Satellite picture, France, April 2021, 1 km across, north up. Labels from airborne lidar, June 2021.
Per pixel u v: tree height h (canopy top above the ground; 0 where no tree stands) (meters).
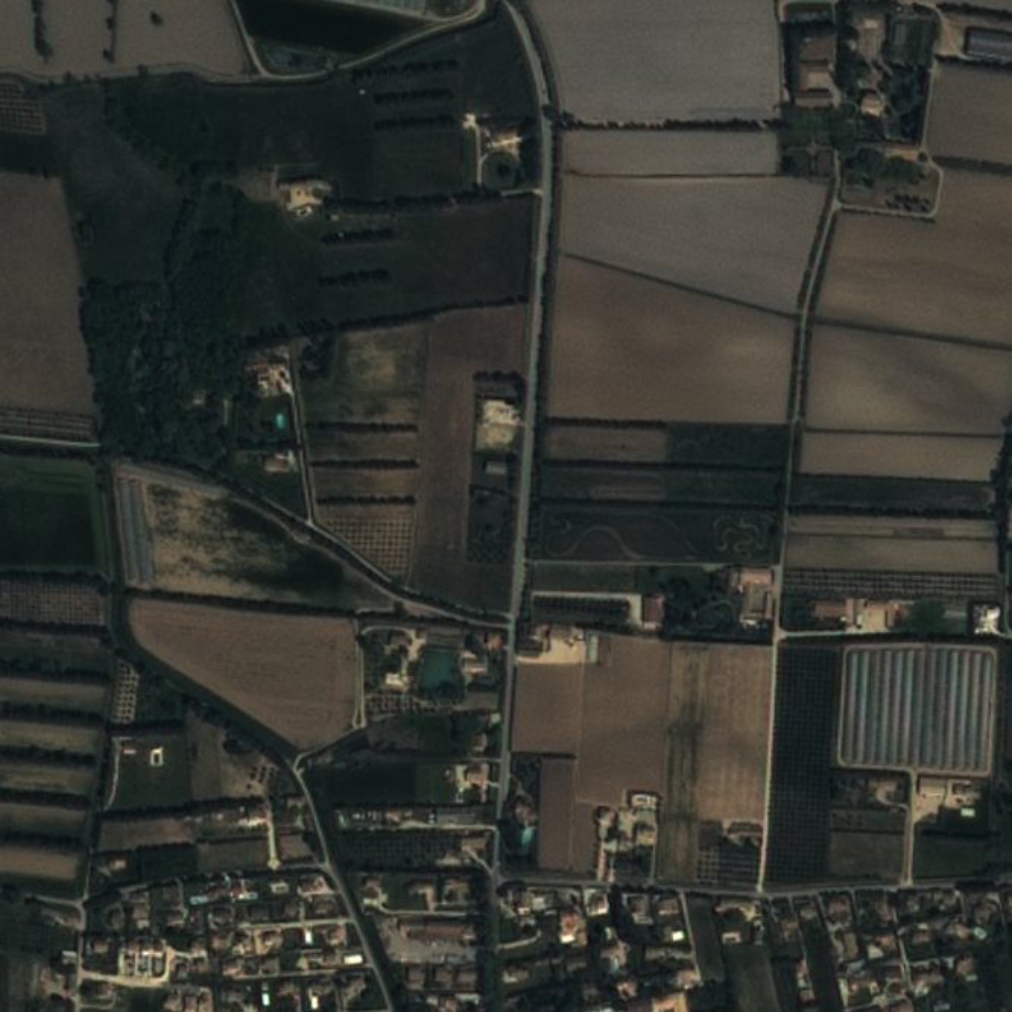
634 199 0
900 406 0
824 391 0
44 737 0
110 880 9
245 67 0
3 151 0
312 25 0
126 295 13
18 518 0
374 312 0
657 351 0
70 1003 7
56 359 0
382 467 9
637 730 0
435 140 0
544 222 0
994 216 0
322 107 0
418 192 0
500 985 19
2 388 0
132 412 11
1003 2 0
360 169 0
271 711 0
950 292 0
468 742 18
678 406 0
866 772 6
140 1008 0
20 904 20
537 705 0
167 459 9
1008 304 0
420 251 0
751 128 13
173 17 0
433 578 0
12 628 15
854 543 0
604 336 0
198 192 18
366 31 0
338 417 0
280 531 0
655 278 0
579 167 0
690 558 0
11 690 0
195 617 0
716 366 0
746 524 0
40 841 11
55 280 0
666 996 16
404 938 0
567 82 0
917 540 0
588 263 0
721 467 7
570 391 0
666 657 0
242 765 0
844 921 7
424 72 14
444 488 0
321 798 6
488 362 0
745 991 0
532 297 7
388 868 6
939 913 13
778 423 0
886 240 0
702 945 0
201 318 20
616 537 0
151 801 0
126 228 0
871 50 0
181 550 0
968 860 0
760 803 0
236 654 0
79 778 0
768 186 0
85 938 7
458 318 0
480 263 0
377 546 0
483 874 8
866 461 0
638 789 0
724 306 0
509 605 0
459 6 0
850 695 0
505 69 0
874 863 0
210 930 7
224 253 17
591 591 0
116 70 0
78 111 0
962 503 0
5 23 0
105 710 0
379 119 0
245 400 16
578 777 0
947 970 10
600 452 0
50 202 0
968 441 0
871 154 19
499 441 0
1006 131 0
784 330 0
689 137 0
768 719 0
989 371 0
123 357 14
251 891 0
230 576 0
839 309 0
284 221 0
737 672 0
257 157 0
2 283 0
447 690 14
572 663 0
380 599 0
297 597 0
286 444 10
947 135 0
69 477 0
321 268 0
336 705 0
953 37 0
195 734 0
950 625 0
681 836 0
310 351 7
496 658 13
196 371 22
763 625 8
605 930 11
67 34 0
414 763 0
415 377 0
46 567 0
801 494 0
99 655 0
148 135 7
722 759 0
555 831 0
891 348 0
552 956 7
